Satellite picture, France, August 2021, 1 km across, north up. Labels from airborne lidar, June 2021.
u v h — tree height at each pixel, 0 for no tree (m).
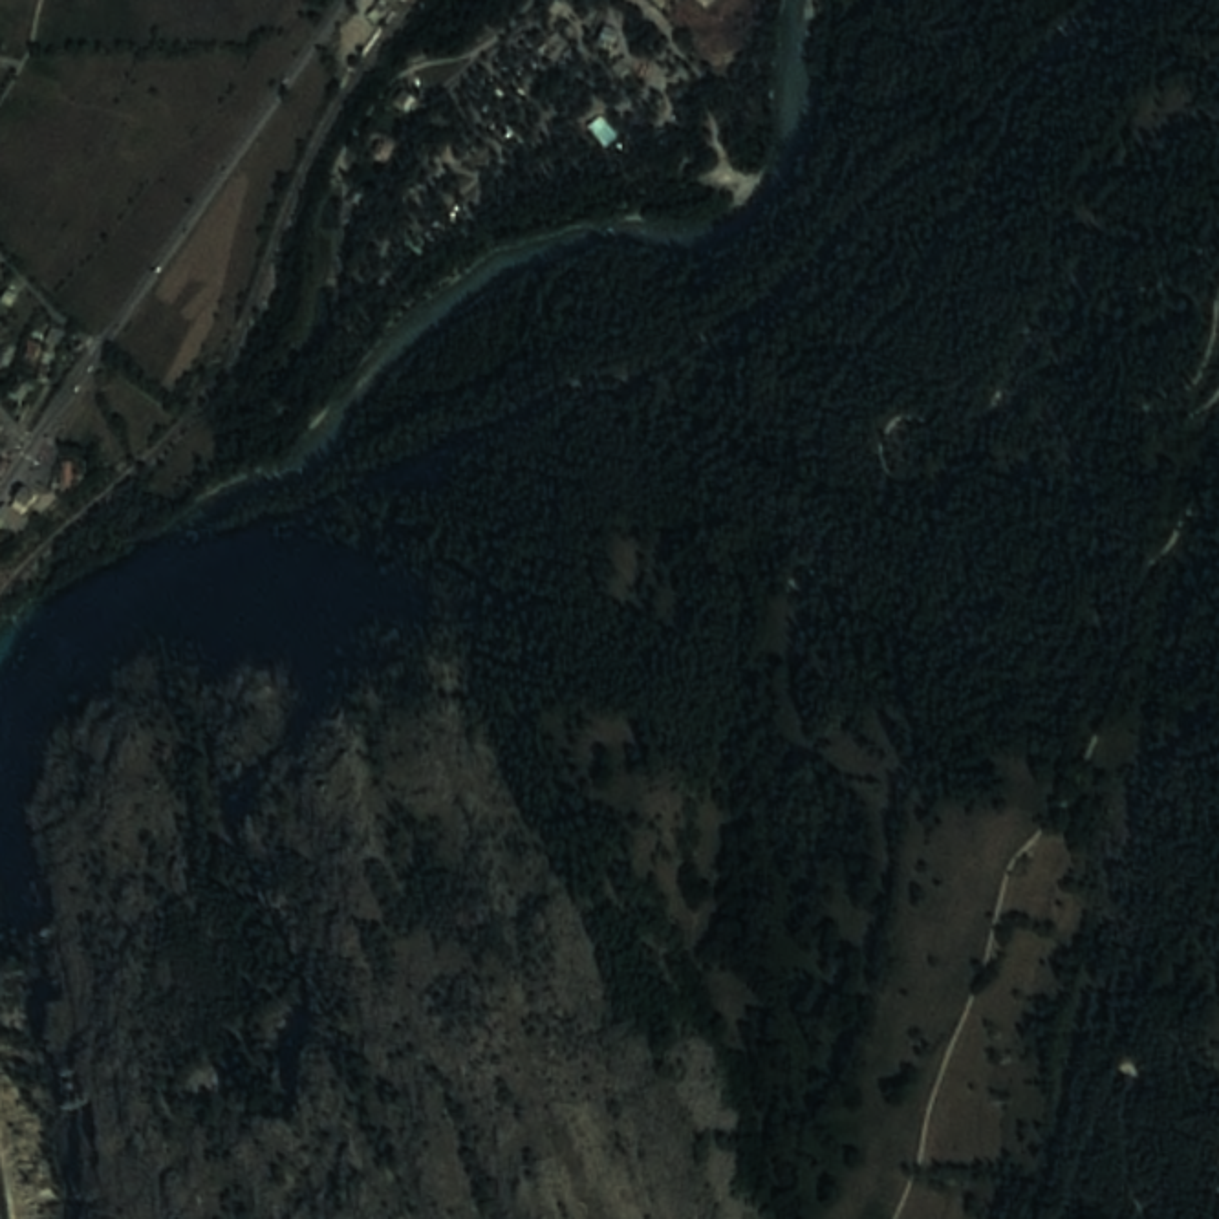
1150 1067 12
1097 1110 14
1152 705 10
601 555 12
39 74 0
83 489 8
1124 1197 15
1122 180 22
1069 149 24
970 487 25
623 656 16
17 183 0
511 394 21
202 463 12
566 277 14
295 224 7
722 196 7
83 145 0
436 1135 0
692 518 27
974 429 7
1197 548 6
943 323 21
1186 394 22
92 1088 0
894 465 13
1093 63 17
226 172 0
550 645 24
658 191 12
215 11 0
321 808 0
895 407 18
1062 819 15
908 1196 0
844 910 0
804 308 24
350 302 20
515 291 20
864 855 9
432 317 0
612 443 24
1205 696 25
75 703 11
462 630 7
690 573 22
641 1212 0
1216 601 18
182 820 12
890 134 21
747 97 9
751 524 16
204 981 16
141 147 0
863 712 13
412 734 0
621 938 9
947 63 15
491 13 15
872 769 0
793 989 8
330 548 18
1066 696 13
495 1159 0
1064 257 17
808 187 28
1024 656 14
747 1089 10
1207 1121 13
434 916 12
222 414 20
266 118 0
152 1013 10
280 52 0
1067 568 23
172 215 0
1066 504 28
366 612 7
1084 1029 11
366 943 11
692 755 13
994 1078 0
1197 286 18
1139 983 7
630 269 18
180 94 0
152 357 0
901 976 0
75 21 0
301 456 0
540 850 12
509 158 16
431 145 18
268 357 18
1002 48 22
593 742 0
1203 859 16
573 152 12
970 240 19
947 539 19
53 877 0
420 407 13
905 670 20
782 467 20
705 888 13
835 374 21
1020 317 13
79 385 0
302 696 6
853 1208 0
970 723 28
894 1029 0
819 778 10
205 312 0
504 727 26
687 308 25
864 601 20
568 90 10
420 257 8
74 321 10
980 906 0
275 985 15
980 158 20
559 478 23
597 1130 0
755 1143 18
